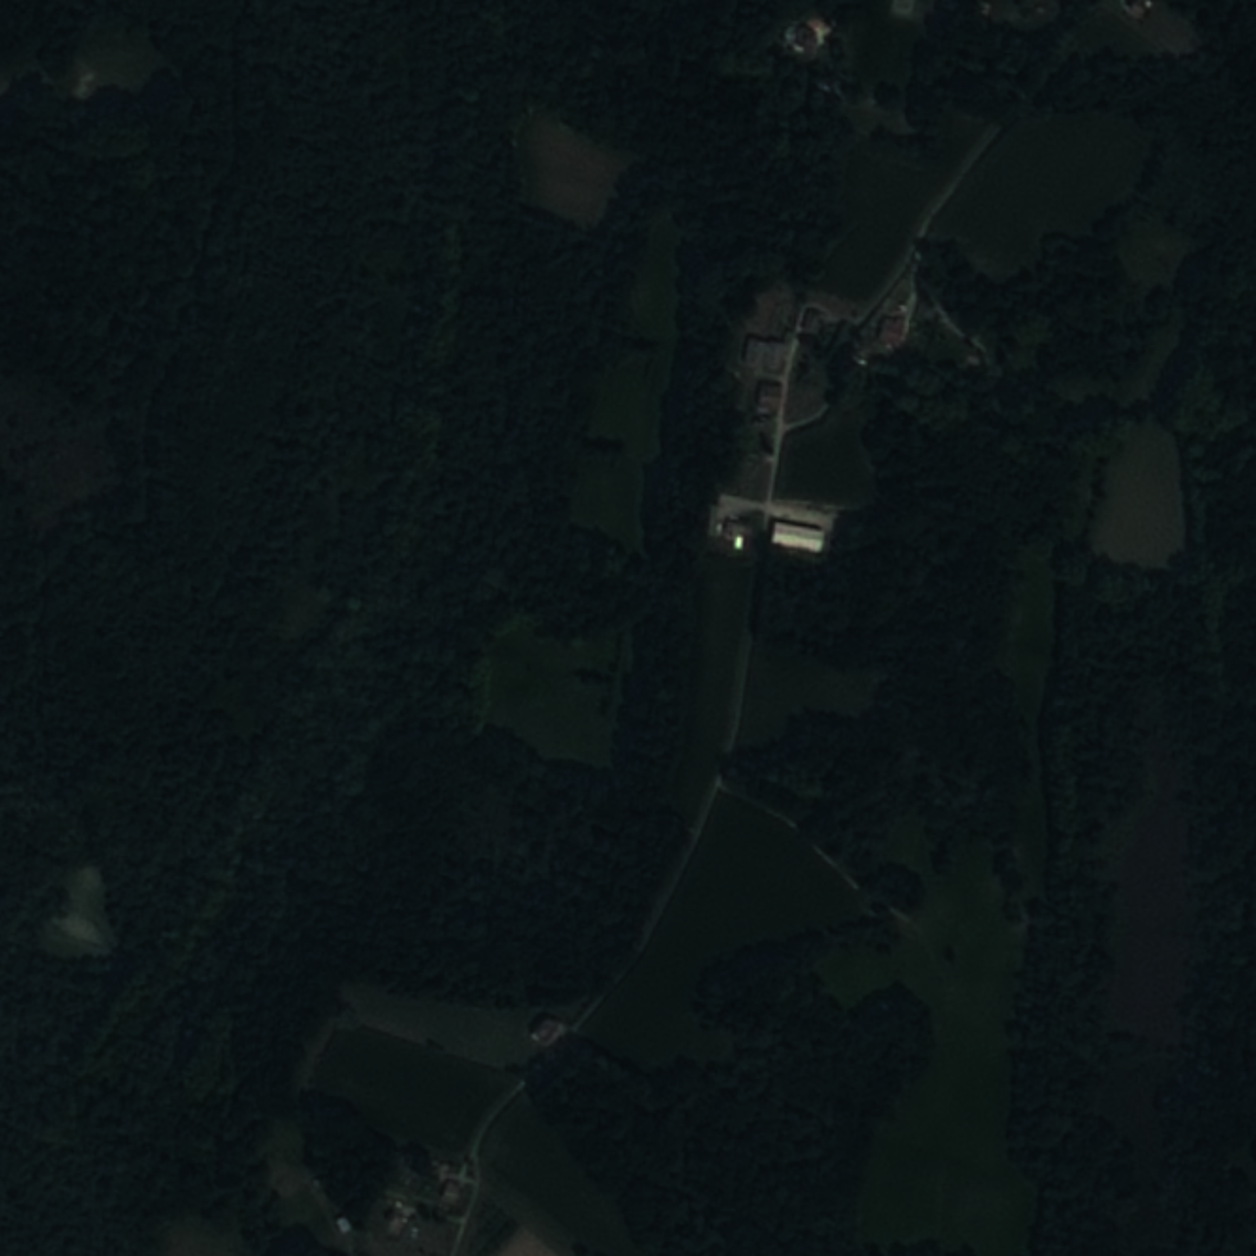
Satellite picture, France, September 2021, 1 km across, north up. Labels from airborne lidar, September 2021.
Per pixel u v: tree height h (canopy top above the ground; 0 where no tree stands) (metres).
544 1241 0
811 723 19
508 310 17
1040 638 0
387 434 13
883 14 0
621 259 21
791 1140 9
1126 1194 16
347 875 28
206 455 18
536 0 28
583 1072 27
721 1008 9
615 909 21
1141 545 0
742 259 27
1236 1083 27
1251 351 21
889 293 0
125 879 9
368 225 10
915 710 25
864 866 16
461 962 27
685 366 16
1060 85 21
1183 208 22
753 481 0
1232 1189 26
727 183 24
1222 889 20
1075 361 18
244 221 20
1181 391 25
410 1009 0
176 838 8
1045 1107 23
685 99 15
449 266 19
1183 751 9
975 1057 0
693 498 20
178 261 29
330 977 18
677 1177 20
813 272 11
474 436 15
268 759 14
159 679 20
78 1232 13
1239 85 26
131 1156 17
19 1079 12
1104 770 13
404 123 13
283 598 7
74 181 29
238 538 9
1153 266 0
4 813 18
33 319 21
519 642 0
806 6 21
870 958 0
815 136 28
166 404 18
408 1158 11
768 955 17
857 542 19
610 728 0
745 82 29
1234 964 20
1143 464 0
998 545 19
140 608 22
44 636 23
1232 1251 22
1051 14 0
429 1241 0
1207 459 18
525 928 27
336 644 11
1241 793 23
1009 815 17
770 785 29
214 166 27
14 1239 12
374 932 23
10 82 0
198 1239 0
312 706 9
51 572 22
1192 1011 13
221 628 14
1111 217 13
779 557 17
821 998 20
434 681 22
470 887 27
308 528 8
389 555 14
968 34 23
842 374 27
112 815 9
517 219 15
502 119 23
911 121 13
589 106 24
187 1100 18
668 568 19
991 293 18
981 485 26
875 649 19
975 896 0
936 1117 0
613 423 0
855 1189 22
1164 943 0
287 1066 21
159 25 26
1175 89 25
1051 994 16
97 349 9
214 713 7
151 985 21
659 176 22
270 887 24
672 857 17
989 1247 0
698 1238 22
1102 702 9
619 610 20
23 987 7
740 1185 21
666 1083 17
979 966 0
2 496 18
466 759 21
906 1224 0
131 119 28
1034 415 25
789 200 28
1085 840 18
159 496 17
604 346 17
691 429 21
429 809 22
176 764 21
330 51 19
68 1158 9
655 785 18
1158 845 0
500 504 17
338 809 19
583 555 24
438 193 19
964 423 30
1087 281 15
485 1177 0
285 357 18
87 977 15
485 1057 0
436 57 9
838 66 14
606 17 28
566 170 0
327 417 15
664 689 23
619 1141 22
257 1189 9
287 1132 0
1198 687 22
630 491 0
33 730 6
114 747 19
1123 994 0
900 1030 23
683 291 13
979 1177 0
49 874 9
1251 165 24
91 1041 27
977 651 29
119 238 26
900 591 28
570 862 17
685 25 31
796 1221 20
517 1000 11
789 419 0
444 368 15
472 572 21
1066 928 15
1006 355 15
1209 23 29
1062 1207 17
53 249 28
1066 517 6
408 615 13
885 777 21
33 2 30
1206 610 25
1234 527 19
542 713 0
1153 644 16
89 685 19
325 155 19
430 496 17
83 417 6
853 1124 22
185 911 17
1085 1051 18
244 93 22
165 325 22
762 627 16
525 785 21
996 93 25
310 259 22
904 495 29
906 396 37
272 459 8
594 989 21
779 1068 22
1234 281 30
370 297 9
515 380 14
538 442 22
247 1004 29
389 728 19
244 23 25
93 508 14
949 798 21
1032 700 0
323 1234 0
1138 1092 0
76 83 0
